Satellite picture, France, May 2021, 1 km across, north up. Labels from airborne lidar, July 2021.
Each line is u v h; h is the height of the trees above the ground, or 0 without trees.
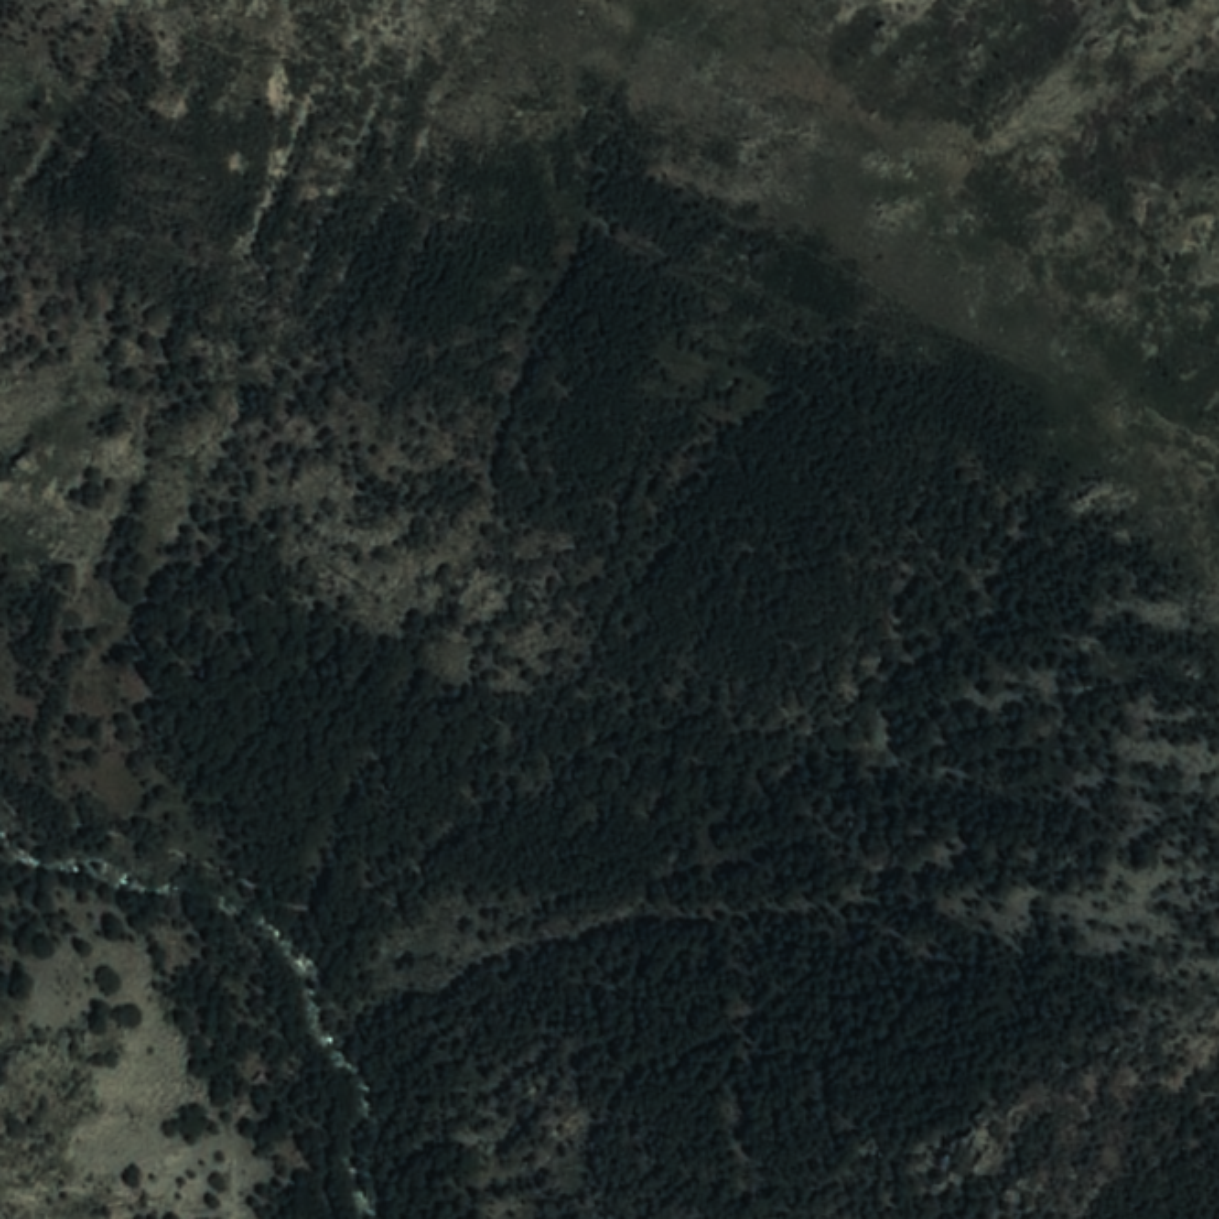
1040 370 0
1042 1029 13
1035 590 12
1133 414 0
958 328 0
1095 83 0
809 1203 14
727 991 24
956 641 21
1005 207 0
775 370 6
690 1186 21
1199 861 7
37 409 0
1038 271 0
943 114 0
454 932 0
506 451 16
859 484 16
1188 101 6
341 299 11
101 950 0
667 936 24
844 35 0
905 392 12
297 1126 22
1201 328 0
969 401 13
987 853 16
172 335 18
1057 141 0
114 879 10
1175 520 0
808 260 6
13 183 0
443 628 22
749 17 0
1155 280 0
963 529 19
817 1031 22
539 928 15
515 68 0
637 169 10
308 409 19
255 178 9
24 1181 7
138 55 8
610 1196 17
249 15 0
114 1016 12
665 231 15
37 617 16
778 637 15
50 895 13
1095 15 0
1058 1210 9
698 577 22
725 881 19
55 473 0
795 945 15
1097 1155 15
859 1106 18
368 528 7
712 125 0
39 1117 15
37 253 9
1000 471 12
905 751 24
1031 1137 20
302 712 32
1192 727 7
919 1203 19
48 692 15
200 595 26
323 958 22
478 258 14
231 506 9
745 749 24
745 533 21
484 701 24
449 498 16
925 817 14
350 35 0
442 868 21
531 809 22
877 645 16
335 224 13
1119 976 7
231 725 36
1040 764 13
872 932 20
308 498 0
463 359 15
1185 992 11
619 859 19
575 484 14
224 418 0
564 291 16
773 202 0
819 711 17
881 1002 20
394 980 0
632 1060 21
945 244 0
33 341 17
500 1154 12
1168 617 0
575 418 14
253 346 16
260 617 26
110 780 0
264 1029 12
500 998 18
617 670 17
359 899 22
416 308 14
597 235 16
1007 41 0
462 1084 10
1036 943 10
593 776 26
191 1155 0
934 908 17
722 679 11
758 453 18
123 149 7
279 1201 18
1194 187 0
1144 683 11
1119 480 0
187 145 11
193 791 13
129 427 5
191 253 9
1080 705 19
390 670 28
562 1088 11
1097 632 11
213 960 19
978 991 18
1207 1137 22
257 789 26
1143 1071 8
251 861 25
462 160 7
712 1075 24
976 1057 21
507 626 22
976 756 18
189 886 20
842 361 12
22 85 0
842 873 12
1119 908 0
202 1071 22
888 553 22
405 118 8
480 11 0
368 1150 21
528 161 8
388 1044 25
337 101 8
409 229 14
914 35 0
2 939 20
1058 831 12
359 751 27
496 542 15
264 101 7
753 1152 19
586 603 23
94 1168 0
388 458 0
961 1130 18
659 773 30
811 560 22
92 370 0
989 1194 12
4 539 0
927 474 14
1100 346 0
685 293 14
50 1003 0
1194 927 7
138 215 10
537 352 12
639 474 16
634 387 16
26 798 15
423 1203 20
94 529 0
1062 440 0
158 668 31
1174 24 0
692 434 13
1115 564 10
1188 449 0
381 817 24
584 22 0
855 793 20
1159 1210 21
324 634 30
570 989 22
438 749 25
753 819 30
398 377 10
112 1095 0
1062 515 12
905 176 0
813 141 0
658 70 0
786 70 0
